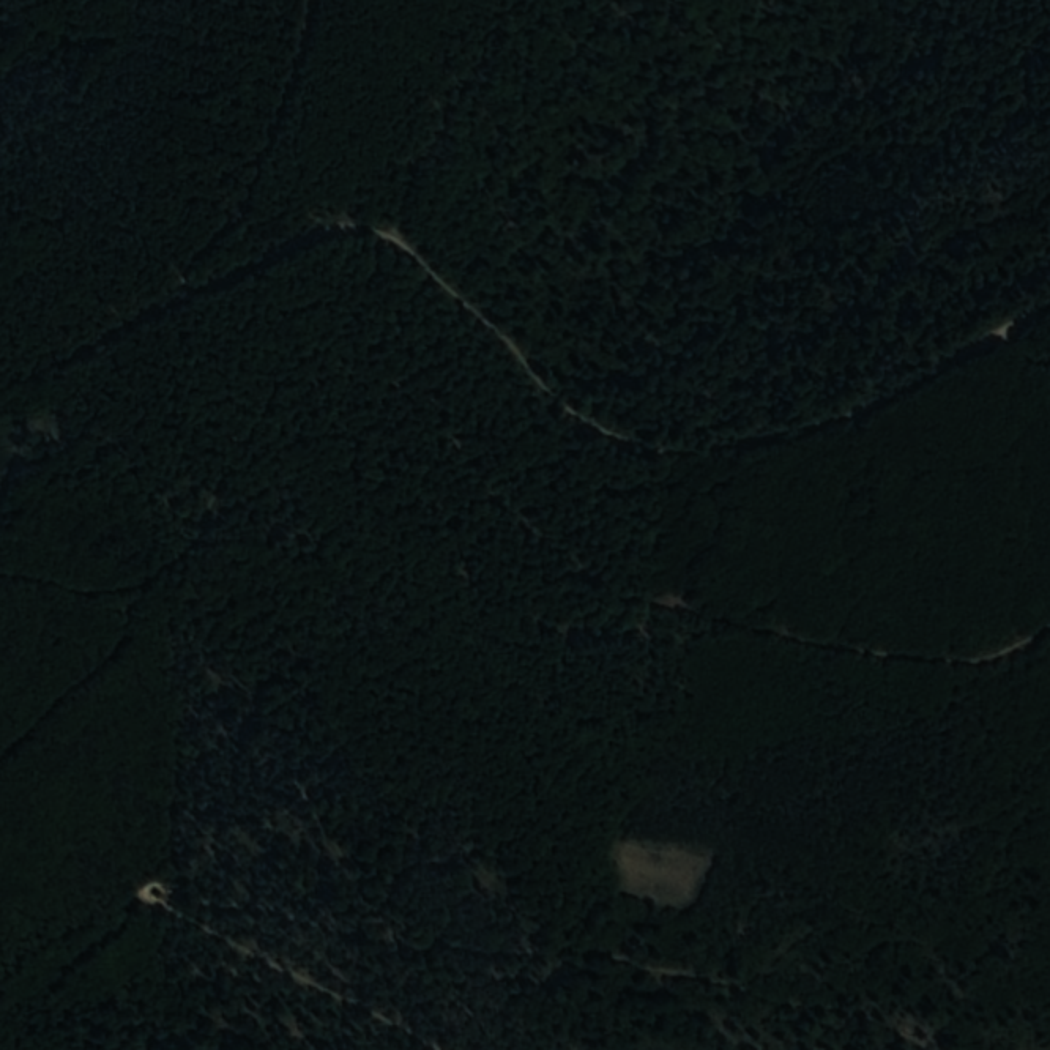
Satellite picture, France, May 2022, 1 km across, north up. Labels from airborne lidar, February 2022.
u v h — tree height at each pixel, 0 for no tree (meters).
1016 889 6
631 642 24
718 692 8
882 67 37
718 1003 26
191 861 35
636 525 31
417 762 22
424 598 22
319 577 16
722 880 10
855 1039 26
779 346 27
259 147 14
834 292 36
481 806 22
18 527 22
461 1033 31
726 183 13
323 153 20
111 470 21
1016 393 13
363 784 28
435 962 22
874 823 15
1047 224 18
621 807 16
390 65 20
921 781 7
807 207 8
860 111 34
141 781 20
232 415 23
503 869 24
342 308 22
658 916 28
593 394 35
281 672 17
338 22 20
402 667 22
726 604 15
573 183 12
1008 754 12
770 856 12
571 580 31
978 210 24
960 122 33
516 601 25
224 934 11
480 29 23
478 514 26
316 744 28
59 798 21
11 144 34
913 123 36
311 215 18
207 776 35
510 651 19
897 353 33
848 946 8
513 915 21
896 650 12
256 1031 27
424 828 19
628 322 35
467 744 23
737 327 33
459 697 20
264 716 24
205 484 23
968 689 7
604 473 29
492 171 25
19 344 21
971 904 9
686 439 31
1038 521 13
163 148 20
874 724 8
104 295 20
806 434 12
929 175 16
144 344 18
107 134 23
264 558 22
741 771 11
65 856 19
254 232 15
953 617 14
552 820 23
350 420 28
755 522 18
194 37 18
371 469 25
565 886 20
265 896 38
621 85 32
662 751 8
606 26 23
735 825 14
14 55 22
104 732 19
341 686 24
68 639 15
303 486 19
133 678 18
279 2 15
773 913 11
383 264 22
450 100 25
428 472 27
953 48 40
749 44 22
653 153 21
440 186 21
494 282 30
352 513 22
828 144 12
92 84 21
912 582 13
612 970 25
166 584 19
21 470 21
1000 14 32
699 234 36
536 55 25
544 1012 24
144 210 20
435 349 26
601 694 23
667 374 38
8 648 15
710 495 11
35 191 21
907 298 35
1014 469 11
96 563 14
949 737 13
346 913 30
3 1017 16
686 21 30
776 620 13
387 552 21
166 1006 20
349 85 21
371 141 21
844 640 7
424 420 26
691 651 11
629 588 24
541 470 31
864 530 12
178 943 27
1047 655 6
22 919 20
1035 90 28
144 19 21
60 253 20
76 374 22
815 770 8
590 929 26
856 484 9
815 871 15
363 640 23
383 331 26
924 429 10
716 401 34
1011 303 28
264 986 37
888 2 26
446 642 20
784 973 7
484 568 26
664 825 11
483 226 30
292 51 17
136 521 13
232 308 24
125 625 15
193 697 22
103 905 17
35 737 16
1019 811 6
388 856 22
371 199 17
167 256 20
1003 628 13
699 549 12
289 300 24
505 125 31
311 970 25
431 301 27
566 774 26
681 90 22
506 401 30
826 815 8
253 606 25
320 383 25
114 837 22
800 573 12
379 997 32
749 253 40
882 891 8
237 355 21
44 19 26
